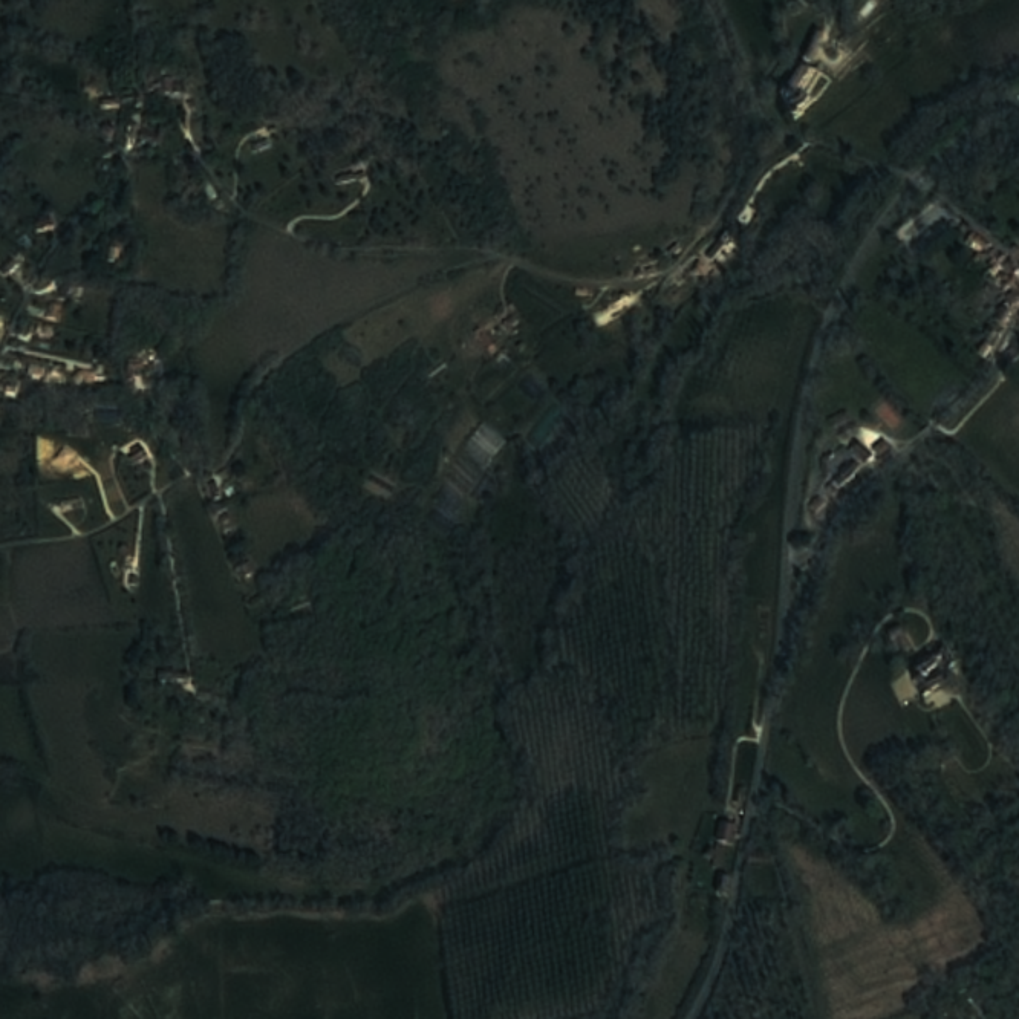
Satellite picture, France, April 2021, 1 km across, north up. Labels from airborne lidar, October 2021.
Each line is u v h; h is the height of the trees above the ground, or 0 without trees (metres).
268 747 27
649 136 9
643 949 23
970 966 13
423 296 0
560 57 0
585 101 0
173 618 9
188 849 6
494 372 0
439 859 18
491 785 20
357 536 16
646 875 24
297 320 0
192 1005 0
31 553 0
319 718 27
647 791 7
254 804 17
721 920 13
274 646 14
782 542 0
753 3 0
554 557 14
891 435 0
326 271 0
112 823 0
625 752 18
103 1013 0
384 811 15
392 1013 0
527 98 0
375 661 24
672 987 0
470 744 21
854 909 0
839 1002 0
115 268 6
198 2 7
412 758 17
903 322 17
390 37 11
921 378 0
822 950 0
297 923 0
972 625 25
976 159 29
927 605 17
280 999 0
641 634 26
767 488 20
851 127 0
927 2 18
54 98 11
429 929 0
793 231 24
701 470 27
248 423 17
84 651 0
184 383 22
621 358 0
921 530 18
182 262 0
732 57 9
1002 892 16
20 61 10
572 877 30
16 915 26
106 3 0
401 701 23
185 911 21
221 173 10
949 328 12
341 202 10
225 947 0
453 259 0
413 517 12
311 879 14
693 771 0
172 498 7
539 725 29
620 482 13
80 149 0
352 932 0
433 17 11
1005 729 19
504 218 10
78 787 0
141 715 13
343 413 7
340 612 21
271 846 13
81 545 0
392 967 0
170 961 0
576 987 31
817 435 11
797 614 14
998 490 9
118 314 18
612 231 0
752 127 11
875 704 0
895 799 25
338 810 17
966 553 21
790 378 0
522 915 22
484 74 0
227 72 20
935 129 26
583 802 28
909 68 0
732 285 34
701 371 11
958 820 12
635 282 0
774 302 19
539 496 24
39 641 0
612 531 25
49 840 0
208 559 0
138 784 0
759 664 0
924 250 17
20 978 24
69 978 23
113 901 18
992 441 0
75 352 14
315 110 19
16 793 8
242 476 11
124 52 8
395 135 12
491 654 16
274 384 8
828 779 0
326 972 0
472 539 14
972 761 0
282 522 0
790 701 0
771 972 14
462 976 23
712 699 30
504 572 12
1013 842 17
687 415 8
